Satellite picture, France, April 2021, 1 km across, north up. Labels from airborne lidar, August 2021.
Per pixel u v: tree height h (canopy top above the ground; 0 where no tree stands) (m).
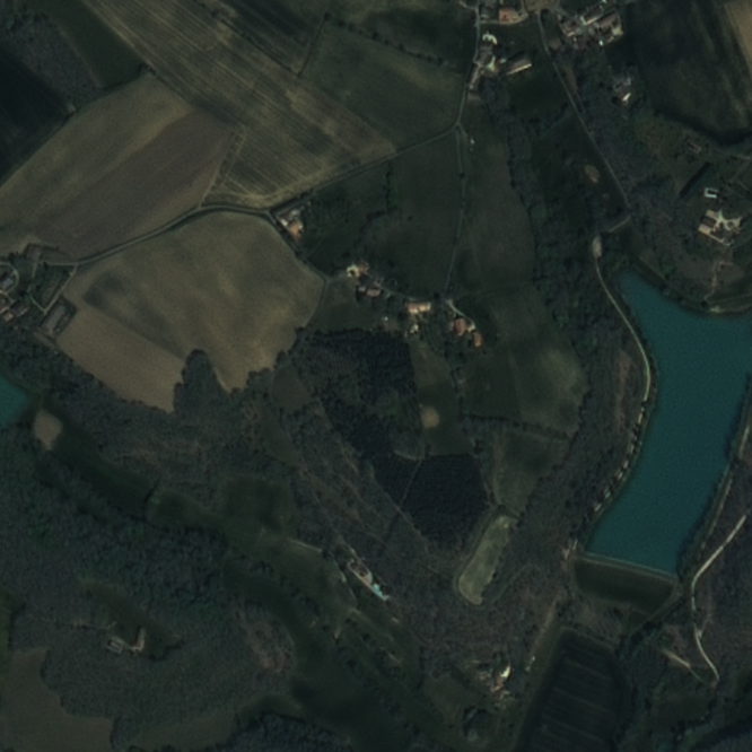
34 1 0
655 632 20
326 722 0
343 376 6
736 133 0
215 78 0
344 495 13
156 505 9
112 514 14
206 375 17
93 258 0
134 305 0
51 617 17
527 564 17
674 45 0
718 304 0
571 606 13
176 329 0
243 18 0
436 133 0
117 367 0
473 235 0
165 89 0
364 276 9
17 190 0
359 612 0
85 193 0
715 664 8
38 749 0
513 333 0
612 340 15
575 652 0
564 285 19
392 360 7
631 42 0
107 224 0
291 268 0
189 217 6
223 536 0
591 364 14
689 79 0
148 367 0
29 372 18
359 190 0
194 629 15
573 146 0
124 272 0
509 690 16
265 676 15
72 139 0
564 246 18
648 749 0
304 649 0
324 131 0
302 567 0
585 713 0
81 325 0
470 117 0
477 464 7
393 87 0
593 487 11
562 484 24
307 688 0
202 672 11
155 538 16
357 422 6
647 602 0
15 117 0
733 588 11
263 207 0
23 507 21
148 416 15
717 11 0
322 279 0
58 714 0
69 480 20
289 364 11
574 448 14
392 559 15
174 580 18
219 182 0
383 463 8
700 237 17
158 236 0
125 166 0
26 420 0
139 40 0
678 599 0
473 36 0
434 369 0
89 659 14
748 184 0
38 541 23
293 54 0
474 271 0
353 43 0
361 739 0
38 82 0
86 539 17
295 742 17
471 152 0
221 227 0
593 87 12
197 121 0
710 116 0
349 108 0
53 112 0
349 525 15
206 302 0
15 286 0
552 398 0
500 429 6
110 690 17
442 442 0
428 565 16
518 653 16
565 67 11
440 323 6
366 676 16
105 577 16
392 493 8
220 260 0
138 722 17
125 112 0
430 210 0
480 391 0
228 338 0
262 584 0
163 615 21
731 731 0
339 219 6
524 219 0
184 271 0
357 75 0
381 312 8
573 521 15
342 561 19
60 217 0
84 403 25
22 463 26
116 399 16
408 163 0
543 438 12
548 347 0
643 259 0
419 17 0
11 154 0
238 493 0
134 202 0
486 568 0
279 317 0
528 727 0
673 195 17
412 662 0
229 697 21
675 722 0
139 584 21
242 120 0
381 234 16
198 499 13
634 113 12
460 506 9
